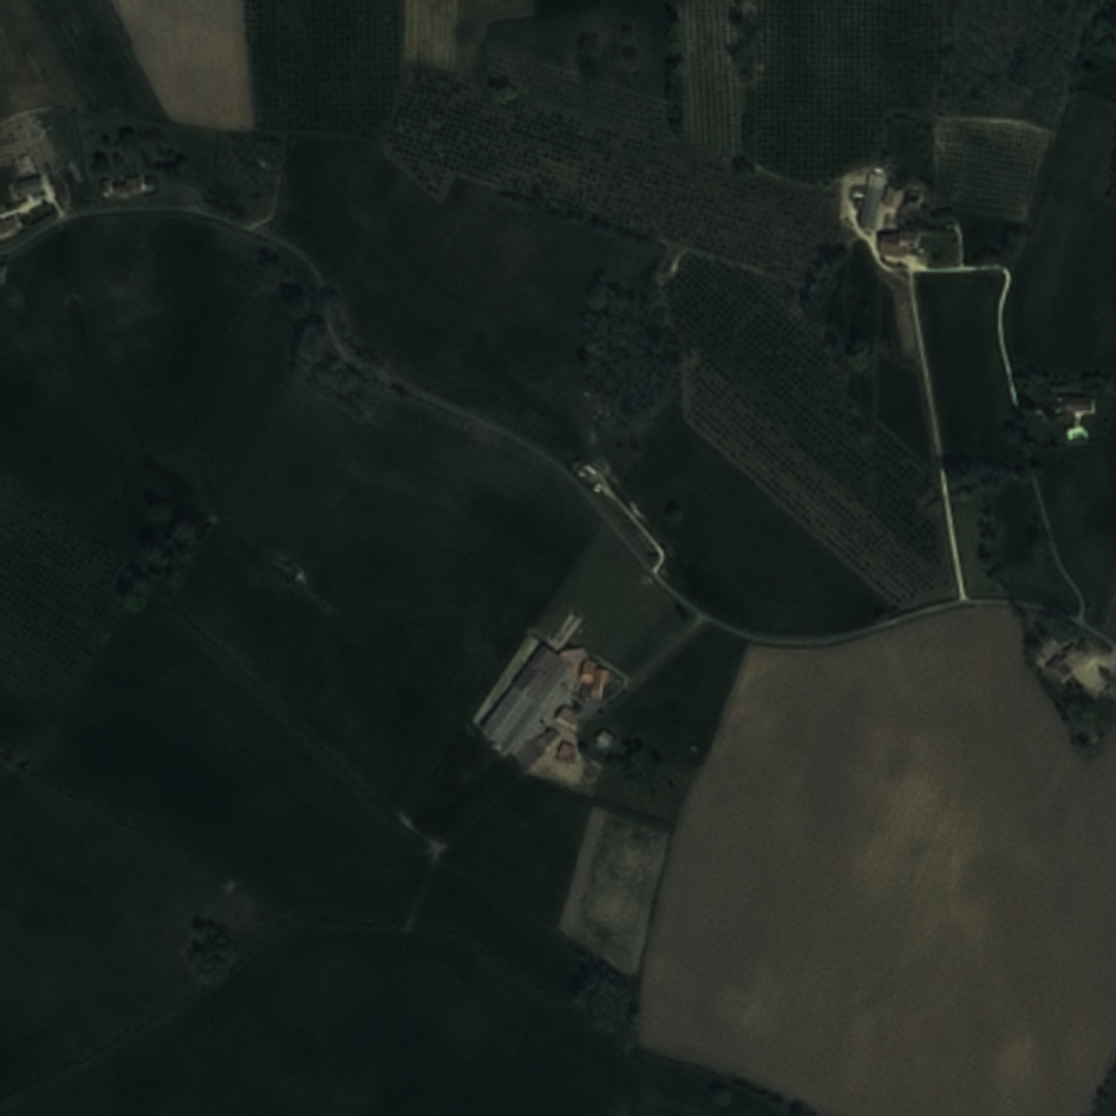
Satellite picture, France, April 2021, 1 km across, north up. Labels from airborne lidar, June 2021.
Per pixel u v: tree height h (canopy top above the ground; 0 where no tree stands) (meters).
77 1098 0
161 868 0
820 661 0
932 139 5
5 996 0
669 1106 0
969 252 0
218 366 0
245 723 0
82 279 0
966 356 0
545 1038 0
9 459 0
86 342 0
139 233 0
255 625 0
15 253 0
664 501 0
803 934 0
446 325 0
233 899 0
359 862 0
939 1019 0
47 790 0
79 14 0
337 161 0
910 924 0
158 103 0
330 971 0
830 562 0
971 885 0
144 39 0
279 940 0
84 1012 0
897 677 0
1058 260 0
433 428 0
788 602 0
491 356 0
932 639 0
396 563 0
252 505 0
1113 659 0
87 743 0
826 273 15
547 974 0
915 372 0
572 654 0
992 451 0
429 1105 0
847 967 0
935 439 0
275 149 13
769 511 0
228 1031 0
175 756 0
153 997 0
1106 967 0
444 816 0
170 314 0
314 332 18
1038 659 12
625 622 0
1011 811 0
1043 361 0
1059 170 0
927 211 9
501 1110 0
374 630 0
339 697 0
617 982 21
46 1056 0
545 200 21
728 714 0
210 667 0
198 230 0
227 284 0
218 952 19
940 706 0
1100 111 0
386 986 0
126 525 0
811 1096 0
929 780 0
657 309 19
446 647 0
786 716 0
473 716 0
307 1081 0
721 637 0
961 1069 0
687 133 18
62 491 0
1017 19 22
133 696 0
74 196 0
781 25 6
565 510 0
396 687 0
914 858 0
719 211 5
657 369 25
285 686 0
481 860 0
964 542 0
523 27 0
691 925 0
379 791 0
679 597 0
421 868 0
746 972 0
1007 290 0
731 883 0
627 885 0
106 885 0
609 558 0
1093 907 0
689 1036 0
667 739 0
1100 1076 0
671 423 0
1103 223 0
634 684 0
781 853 0
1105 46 24
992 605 0
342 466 0
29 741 0
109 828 0
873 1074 0
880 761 0
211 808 0
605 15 0
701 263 6
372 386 19
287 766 0
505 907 0
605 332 20
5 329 0
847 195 0
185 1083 0
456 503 0
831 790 0
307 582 0
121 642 0
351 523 0
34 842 0
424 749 0
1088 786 0
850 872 0
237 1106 0
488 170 6
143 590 17
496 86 14
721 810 0
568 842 0
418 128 5
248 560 0
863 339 18
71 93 0
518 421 0
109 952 0
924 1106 0
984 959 0
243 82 0
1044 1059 0
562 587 0
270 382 0
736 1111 0
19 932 0
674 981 0
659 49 0
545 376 0
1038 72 22
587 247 0
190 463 0
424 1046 0
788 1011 0
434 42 0
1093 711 20
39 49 0
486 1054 0
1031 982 0
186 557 20
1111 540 0
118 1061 0
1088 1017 0
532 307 0
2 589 6
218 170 0
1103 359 0
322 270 0
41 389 0
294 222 0
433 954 0
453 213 0
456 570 0
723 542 0
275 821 0
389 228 0
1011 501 0
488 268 0
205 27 0
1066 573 0
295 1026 0
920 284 0
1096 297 0
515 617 0
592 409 0
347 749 0
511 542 0
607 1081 0
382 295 0
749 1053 0
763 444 6
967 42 14
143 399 0
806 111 6
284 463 0
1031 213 0
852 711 0
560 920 0
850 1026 0
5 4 0
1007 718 0
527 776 0
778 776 0
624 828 0
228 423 0
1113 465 0
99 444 0
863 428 12
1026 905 0
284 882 0
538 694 0
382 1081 0
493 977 0
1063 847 0
